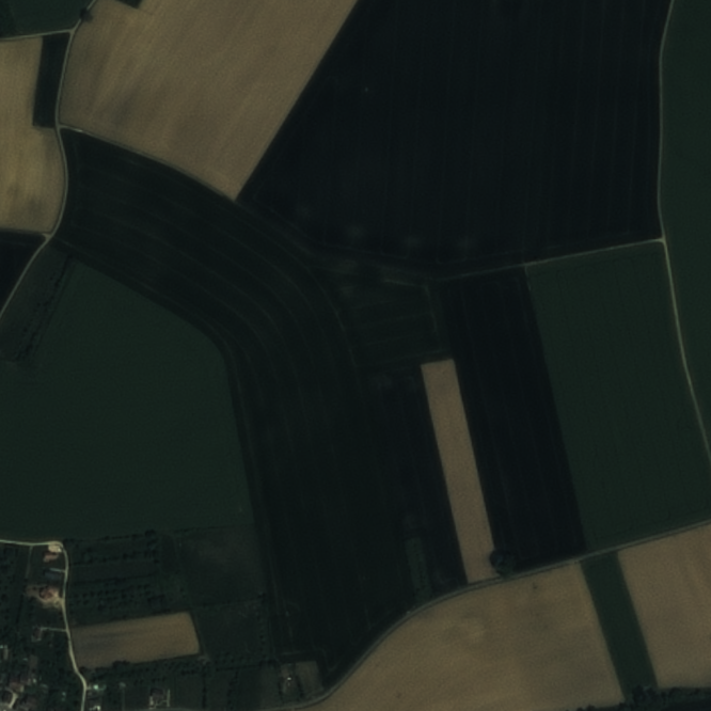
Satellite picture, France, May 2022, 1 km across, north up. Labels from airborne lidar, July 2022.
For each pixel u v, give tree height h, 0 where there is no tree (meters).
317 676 0
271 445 0
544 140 0
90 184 0
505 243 0
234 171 0
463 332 0
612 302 0
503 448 0
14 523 0
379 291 0
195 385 0
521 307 0
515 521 0
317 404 0
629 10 0
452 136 0
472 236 0
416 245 0
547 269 0
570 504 0
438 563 0
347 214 0
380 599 0
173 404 0
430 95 0
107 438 0
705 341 0
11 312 0
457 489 0
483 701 0
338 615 0
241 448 0
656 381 0
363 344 0
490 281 0
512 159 0
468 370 0
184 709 0
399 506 0
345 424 0
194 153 0
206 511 0
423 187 0
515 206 0
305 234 0
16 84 0
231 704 6
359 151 0
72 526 0
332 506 0
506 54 0
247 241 0
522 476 0
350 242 0
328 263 0
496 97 0
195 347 0
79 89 0
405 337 0
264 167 0
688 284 0
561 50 0
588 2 0
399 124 0
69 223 0
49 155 0
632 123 0
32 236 0
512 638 0
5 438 0
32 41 0
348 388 0
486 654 0
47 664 7
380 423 0
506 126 0
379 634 0
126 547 0
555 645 0
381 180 0
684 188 0
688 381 0
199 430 0
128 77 0
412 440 0
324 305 0
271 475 0
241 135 0
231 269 0
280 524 0
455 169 0
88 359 0
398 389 0
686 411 0
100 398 0
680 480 0
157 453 0
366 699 0
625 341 0
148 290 0
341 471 0
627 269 0
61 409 0
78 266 0
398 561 0
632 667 0
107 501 0
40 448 0
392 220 0
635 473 0
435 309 0
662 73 0
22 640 7
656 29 0
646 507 0
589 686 0
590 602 0
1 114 0
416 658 0
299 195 0
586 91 0
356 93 0
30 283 0
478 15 0
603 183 0
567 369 0
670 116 0
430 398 0
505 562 26
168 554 0
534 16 0
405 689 0
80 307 0
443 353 0
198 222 0
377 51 0
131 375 0
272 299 0
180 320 0
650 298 0
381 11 0
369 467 0
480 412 0
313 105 0
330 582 0
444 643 0
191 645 0
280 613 0
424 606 0
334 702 0
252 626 0
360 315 0
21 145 0
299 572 0
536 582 0
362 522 0
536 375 0
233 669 6
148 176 0
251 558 0
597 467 0
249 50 0
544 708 0
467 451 0
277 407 0
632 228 0
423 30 0
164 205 0
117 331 0
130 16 0
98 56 0
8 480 0
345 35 0
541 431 0
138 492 0
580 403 0
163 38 0
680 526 0
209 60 0
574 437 0
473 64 0
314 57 0
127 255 0
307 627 0
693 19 0
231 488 0
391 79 0
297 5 0
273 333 0
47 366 0
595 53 0
